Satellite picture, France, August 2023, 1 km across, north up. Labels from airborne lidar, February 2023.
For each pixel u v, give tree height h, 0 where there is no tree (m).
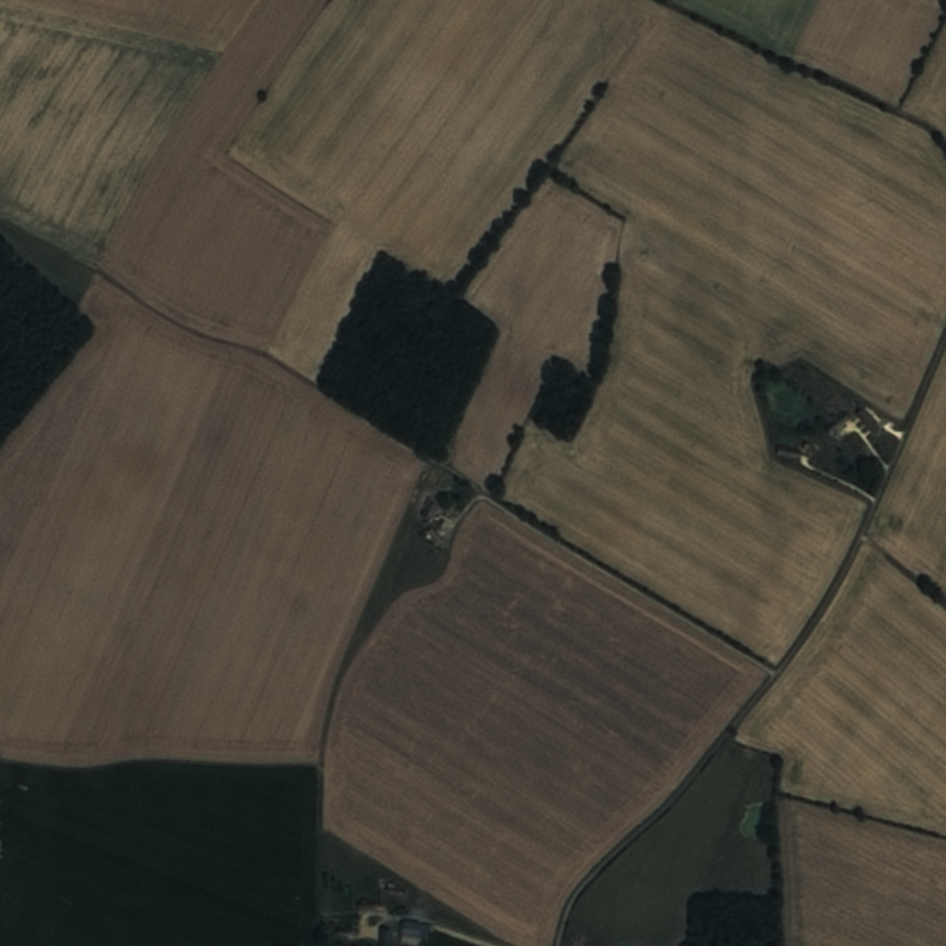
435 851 0
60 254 0
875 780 0
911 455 0
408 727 0
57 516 0
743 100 0
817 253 0
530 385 0
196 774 0
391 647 0
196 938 0
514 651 0
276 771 0
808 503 0
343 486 0
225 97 0
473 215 0
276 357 0
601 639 0
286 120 0
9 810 0
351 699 0
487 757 0
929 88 0
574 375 13
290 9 0
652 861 0
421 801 0
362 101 0
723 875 0
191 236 0
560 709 0
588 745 0
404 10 0
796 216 0
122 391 0
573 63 0
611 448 0
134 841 0
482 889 0
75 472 0
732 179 0
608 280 16
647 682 0
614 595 0
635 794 0
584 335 0
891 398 0
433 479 0
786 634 0
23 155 0
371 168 0
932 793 0
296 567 0
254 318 0
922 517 0
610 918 0
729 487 0
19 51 0
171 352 0
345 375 17
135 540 0
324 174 0
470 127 0
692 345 0
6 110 0
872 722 0
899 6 0
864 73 0
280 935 0
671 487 0
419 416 20
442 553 0
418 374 21
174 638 0
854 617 0
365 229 0
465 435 0
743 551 0
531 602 0
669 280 0
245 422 0
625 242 0
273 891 0
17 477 0
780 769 10
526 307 0
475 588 0
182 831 0
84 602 0
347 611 0
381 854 0
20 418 14
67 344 18
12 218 0
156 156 0
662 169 0
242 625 0
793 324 0
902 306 0
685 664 0
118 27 0
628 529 0
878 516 0
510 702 0
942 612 0
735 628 0
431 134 0
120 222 0
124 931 0
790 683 0
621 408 0
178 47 0
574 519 0
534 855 0
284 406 0
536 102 0
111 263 0
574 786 0
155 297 0
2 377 19
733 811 0
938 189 0
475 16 0
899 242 0
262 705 0
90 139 0
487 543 0
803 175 0
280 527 0
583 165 0
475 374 19
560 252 0
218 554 0
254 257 0
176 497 0
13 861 0
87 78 0
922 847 0
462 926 0
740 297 0
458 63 0
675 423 0
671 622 0
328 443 0
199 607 0
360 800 0
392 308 17
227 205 0
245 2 0
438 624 0
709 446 0
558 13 0
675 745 0
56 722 0
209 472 0
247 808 0
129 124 0
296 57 0
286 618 0
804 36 0
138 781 0
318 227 0
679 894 0
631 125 0
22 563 0
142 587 0
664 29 0
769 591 0
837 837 0
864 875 0
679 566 0
